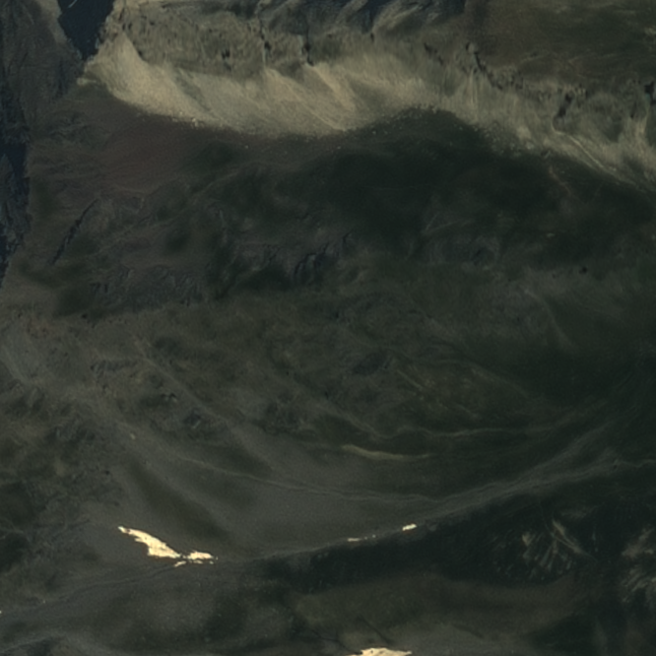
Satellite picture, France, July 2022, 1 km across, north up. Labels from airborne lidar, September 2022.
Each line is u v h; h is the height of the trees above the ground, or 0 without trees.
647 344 0
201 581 0
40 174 0
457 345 0
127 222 0
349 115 0
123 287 0
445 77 0
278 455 0
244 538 0
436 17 0
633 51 0
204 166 0
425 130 0
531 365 0
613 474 0
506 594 0
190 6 0
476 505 0
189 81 0
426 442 0
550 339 0
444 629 0
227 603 0
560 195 0
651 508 0
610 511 0
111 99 0
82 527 0
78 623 0
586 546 0
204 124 0
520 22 0
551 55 0
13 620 0
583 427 0
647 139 0
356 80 0
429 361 0
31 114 0
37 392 0
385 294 0
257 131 0
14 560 0
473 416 0
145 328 0
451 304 0
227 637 0
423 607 0
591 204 0
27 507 0
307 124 0
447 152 0
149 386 0
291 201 0
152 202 0
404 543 0
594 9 0
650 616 0
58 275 0
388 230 0
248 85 0
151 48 0
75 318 0
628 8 0
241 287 0
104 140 0
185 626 0
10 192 0
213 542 0
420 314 0
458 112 0
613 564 0
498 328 0
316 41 0
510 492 0
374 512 0
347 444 0
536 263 15
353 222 0
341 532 0
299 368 0
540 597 0
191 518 0
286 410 0
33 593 0
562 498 0
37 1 0
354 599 0
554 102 0
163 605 0
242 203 0
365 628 0
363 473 0
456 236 0
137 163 0
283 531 0
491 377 0
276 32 0
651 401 0
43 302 0
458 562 0
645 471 0
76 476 0
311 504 0
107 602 0
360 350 0
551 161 0
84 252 0
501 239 0
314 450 0
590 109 0
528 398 0
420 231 0
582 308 0
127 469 0
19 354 0
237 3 0
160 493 0
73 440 0
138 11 0
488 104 0
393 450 0
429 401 0
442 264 0
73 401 0
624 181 0
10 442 0
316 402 0
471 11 0
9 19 0
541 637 0
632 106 0
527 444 0
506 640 0
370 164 0
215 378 0
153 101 0
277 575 0
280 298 0
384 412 0
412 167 0
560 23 0
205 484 0
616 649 0
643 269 0
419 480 0
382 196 0
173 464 0
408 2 0
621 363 0
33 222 0
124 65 0
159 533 0
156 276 0
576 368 0
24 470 0
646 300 0
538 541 0
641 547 0
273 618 0
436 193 0
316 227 0
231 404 0
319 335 0
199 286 0
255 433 0
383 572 0
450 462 0
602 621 0
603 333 0
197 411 0
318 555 0
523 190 0
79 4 0
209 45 0
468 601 0
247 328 0
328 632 0
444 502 0
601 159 0
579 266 0
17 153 0
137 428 0
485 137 0
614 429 0
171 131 0
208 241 0
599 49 0
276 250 0
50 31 0
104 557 0
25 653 0
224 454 0
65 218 0
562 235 0
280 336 0
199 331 0
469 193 0
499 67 0
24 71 0
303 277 0
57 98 0
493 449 0
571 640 0
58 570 0
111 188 0
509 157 0
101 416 0
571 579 0
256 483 0
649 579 0
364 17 0
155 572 0
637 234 0
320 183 0
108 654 0
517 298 0
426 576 0
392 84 0
